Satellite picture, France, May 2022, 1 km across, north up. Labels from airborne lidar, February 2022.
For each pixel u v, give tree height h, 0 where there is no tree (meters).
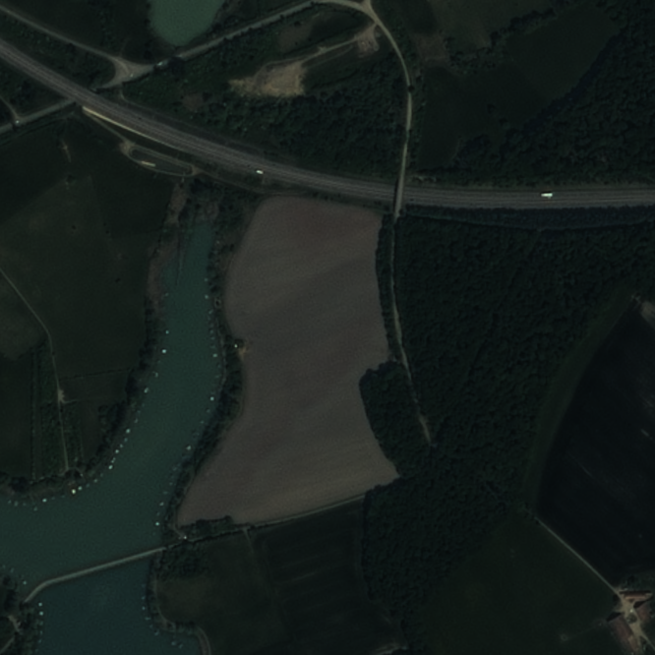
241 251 0
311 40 6
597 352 0
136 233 0
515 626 0
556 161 20
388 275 12
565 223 16
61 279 0
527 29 21
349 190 0
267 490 0
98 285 0
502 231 18
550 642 0
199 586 0
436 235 20
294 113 11
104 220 0
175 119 0
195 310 0
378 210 0
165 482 0
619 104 25
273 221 0
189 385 0
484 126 0
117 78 0
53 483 12
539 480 0
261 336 0
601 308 19
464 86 0
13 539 0
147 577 0
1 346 0
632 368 0
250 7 0
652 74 30
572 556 0
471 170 18
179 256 0
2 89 5
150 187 0
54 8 0
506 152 19
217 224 6
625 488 0
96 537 0
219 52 8
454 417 22
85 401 0
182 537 0
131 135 0
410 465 22
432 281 20
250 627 0
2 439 0
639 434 0
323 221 0
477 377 25
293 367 0
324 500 0
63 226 0
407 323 9
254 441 0
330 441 0
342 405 0
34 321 0
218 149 0
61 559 0
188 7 0
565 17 0
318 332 0
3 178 0
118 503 0
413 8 0
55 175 0
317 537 0
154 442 0
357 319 0
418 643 16
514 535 0
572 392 0
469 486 26
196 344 0
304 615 0
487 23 0
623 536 0
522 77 0
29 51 0
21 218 0
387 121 7
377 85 15
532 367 25
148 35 0
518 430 26
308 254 0
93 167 0
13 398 0
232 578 0
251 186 0
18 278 0
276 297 0
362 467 0
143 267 0
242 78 0
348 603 0
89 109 0
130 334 0
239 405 10
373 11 0
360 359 0
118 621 0
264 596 0
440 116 0
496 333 23
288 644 0
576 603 0
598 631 0
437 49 0
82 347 0
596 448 0
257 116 10
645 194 0
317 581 0
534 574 0
